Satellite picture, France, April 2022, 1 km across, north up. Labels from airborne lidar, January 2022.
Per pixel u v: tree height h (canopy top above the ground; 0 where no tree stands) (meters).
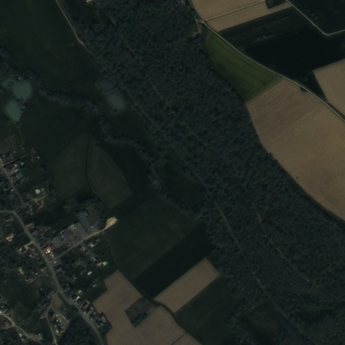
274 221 14
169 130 25
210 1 0
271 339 0
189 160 26
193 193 0
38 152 0
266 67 0
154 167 7
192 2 0
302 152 0
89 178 0
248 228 14
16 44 0
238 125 23
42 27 0
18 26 0
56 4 0
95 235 0
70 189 0
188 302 0
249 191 22
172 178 0
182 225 0
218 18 0
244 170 35
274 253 24
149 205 0
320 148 0
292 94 0
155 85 23
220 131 38
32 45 0
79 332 29
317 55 0
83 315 0
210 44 0
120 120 0
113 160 0
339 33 0
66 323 0
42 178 0
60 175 0
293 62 0
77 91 0
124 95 23
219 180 34
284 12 0
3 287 0
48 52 0
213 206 24
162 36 25
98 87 0
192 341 0
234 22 0
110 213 0
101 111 12
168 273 0
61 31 0
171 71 25
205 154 23
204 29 13
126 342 0
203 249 0
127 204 0
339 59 0
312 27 0
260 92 0
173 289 0
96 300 0
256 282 17
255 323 0
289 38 0
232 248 19
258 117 0
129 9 30
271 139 0
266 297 14
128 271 0
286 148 0
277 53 0
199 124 32
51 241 0
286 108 0
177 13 18
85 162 0
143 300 0
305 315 0
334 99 0
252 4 0
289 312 22
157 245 0
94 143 0
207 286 0
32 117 0
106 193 0
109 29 29
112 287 0
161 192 18
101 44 27
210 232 9
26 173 0
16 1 0
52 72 0
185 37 28
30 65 0
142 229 0
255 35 0
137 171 0
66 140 0
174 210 0
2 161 0
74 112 0
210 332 0
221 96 32
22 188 0
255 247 17
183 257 0
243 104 27
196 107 32
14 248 0
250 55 0
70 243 0
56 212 0
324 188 0
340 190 0
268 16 0
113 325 0
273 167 17
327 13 0
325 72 0
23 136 0
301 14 0
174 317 0
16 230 0
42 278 0
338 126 0
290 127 0
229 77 0
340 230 28
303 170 0
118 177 0
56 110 0
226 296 0
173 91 28
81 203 10
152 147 0
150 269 0
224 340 0
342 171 0
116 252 0
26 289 9
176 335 0
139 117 0
